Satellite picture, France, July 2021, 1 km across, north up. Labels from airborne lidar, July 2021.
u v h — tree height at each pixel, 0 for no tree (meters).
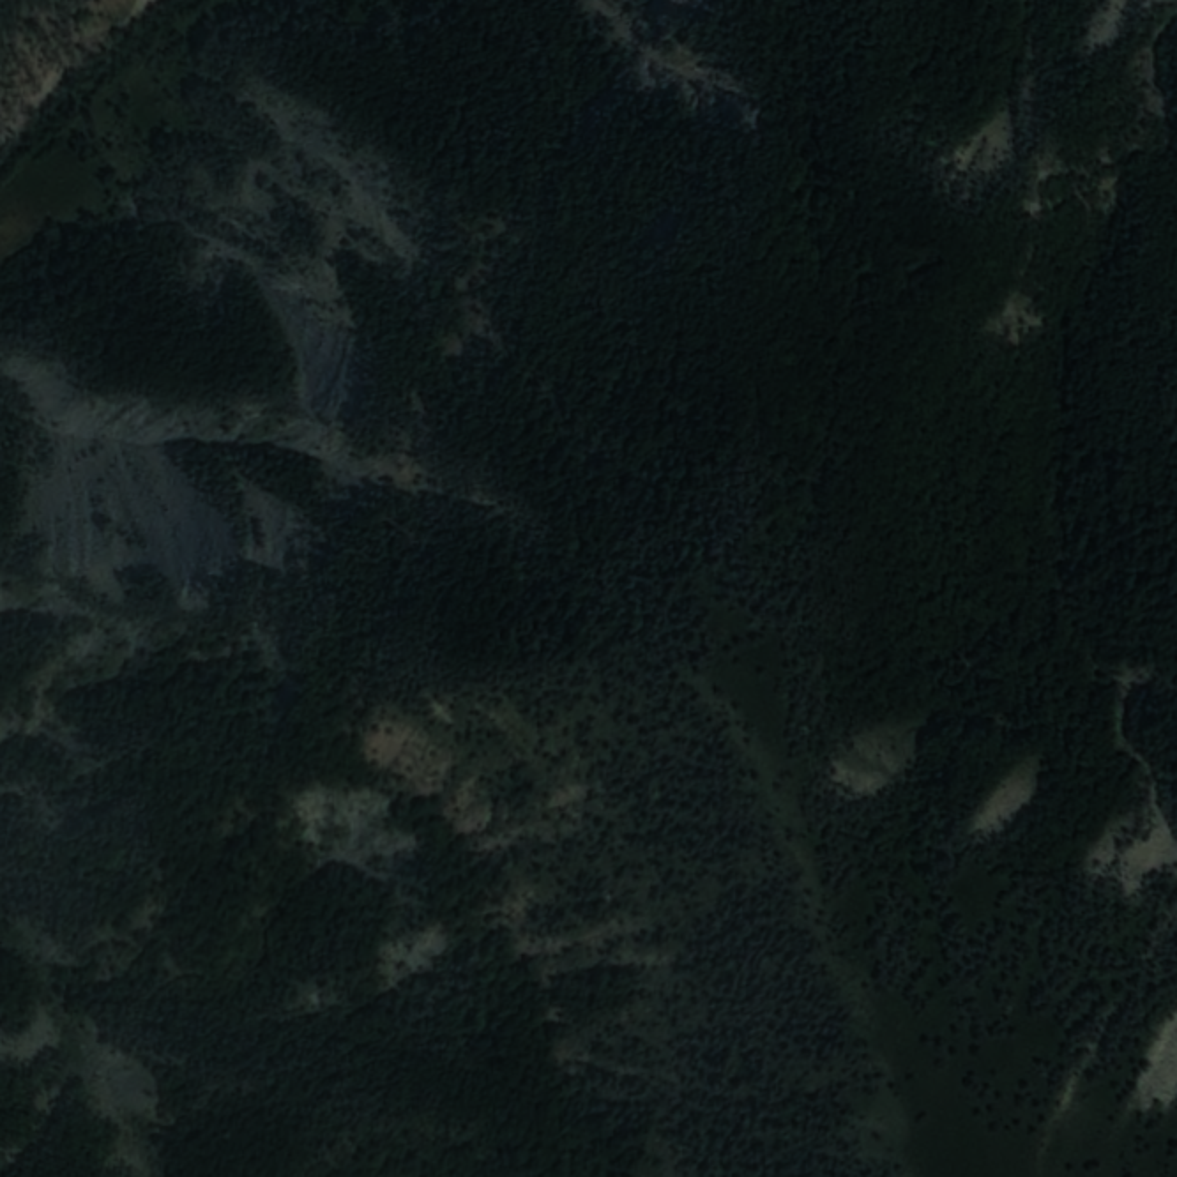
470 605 22
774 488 21
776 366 22
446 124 26
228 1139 15
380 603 6
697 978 9
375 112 18
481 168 22
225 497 19
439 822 16
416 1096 14
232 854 21
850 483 16
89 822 16
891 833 13
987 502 16
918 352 17
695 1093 7
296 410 7
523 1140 19
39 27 26
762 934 14
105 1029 9
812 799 9
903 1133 0
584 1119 10
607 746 10
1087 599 14
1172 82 11
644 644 8
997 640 24
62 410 0
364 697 7
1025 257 14
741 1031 7
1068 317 21
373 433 10
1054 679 26
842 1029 9
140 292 23
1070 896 13
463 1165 13
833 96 23
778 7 26
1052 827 27
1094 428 20
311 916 16
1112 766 19
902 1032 0
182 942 12
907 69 20
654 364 18
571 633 16
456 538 15
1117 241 16
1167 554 27
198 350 22
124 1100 0
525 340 19
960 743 27
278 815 6
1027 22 14
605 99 7
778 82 18
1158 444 20
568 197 22
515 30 16
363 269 17
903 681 21
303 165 7
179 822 14
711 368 20
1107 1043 9
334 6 11
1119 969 15
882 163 17
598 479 15
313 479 11
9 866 13
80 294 30
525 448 25
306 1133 17
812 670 18
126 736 16
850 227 28
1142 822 10
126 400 8
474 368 14
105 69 15
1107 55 10
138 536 6
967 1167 0
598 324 15
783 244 26
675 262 17
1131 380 16
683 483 19
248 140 11
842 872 9
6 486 24
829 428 19
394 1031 14
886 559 15
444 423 16
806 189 14
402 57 20
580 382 18
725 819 8
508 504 8
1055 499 11
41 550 6
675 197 10
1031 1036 0
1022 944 10
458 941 10
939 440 17
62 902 15
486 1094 13
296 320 0
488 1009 7
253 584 15
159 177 11
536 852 7
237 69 15
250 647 8
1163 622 24
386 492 9
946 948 11
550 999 6
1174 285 13
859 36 19
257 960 9
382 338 14
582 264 15
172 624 7
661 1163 7
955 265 16
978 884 0
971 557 19
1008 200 17
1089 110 15
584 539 11
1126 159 14
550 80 18
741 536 11
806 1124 8
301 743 8
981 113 15
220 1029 13
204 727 14
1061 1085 11
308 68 18
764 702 0
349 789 8
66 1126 13
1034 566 19
